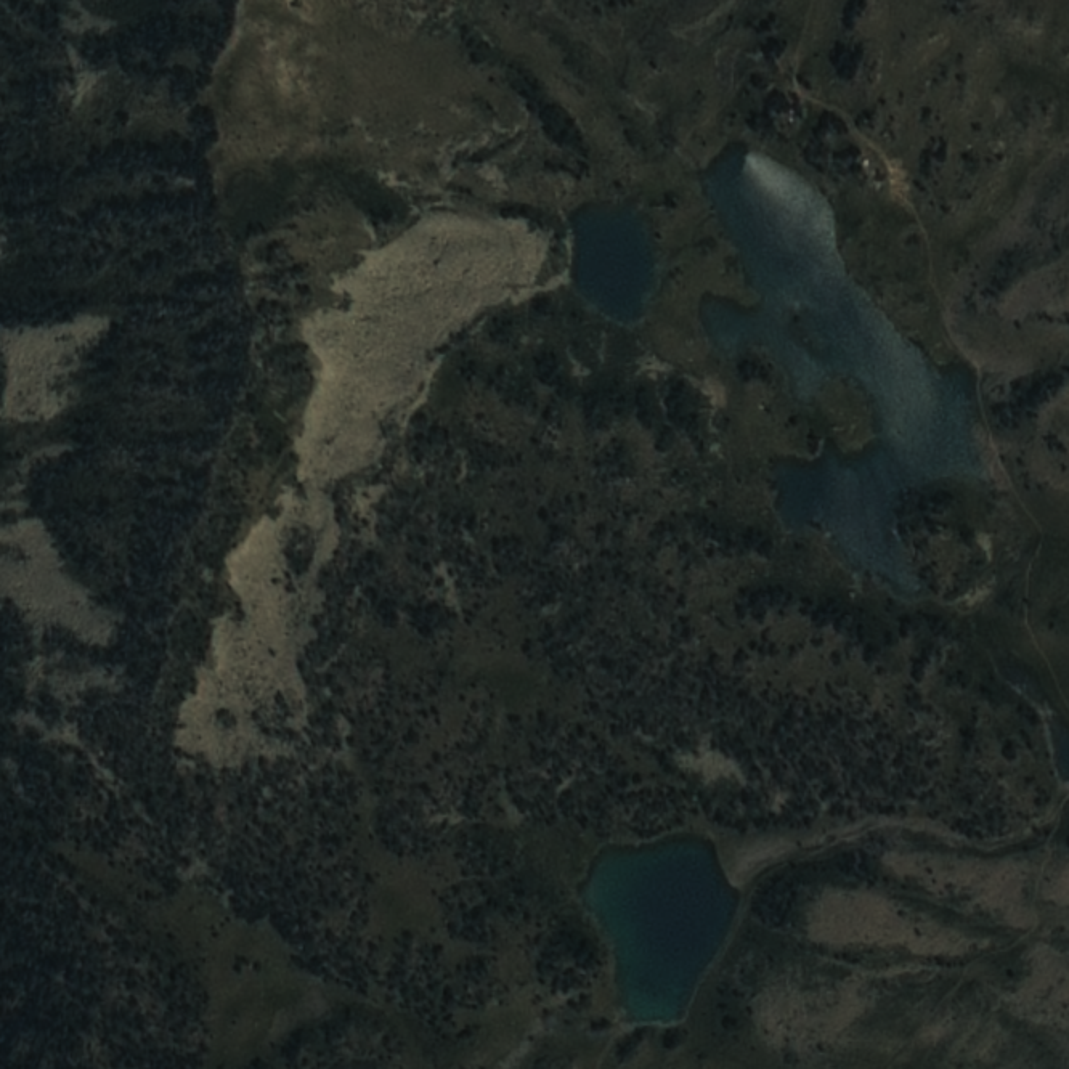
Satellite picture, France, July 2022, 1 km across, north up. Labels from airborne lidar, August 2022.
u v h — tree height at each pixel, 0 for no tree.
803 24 0
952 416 0
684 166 0
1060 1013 0
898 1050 0
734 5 0
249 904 15
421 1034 0
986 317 0
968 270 0
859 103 0
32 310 9
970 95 0
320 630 9
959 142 0
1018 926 0
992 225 0
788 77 0
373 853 0
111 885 0
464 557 7
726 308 0
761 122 10
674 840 0
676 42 0
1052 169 0
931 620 8
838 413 0
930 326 0
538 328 0
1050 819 0
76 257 7
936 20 0
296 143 0
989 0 0
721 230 0
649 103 0
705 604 0
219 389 8
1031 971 0
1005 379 0
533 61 0
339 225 0
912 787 8
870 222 0
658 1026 0
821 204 0
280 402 0
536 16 0
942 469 0
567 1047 0
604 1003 0
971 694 0
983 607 0
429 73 0
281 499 0
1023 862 0
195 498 8
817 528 6
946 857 0
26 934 10
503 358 0
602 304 0
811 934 0
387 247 0
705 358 0
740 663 8
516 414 0
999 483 0
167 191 10
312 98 0
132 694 14
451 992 9
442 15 0
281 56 0
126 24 0
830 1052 0
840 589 0
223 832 10
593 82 0
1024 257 0
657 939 0
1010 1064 0
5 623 10
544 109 9
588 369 0
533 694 0
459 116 0
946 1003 0
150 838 12
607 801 6
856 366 0
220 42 6
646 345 0
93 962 6
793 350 0
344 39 0
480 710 11
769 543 8
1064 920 0
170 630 11
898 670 0
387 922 0
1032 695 0
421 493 10
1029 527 0
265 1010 0
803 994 0
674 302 0
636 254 0
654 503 0
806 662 0
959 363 0
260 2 0
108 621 0
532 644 7
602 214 0
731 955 0
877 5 0
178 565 7
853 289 0
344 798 11
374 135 0
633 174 0
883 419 0
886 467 0
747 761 19
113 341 11
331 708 13
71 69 7
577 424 0
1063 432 0
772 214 0
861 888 0
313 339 0
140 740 7
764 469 0
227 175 0
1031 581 0
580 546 10
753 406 0
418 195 0
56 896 9
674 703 11
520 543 16
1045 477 0
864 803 14
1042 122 0
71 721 9
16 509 0
